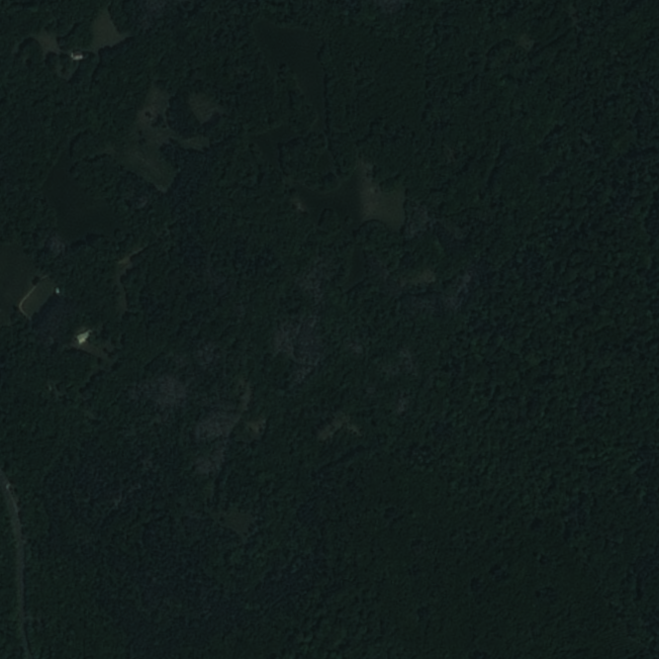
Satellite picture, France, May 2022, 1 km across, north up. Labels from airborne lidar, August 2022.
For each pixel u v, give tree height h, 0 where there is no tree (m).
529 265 29
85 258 17
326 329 15
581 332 23
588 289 19
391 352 22
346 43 8
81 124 15
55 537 19
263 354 20
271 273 8
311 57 0
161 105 0
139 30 13
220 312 10
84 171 12
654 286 20
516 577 15
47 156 17
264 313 14
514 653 8
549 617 8
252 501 23
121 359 13
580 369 18
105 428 14
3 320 0
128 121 21
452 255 21
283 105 14
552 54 23
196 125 18
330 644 27
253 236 12
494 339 19
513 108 20
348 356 11
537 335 16
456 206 14
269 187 14
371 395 14
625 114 19
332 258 10
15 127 20
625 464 17
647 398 19
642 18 18
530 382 20
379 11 23
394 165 14
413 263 19
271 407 11
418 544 20
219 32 8
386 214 0
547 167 19
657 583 17
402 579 12
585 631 8
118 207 17
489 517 13
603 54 17
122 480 13
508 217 17
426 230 15
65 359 15
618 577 20
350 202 0
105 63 15
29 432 20
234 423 0
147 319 15
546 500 18
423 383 17
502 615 9
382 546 15
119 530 14
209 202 13
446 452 9
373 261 10
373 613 25
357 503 15
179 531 13
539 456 16
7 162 24
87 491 19
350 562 16
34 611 14
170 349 19
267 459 16
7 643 21
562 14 9
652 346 25
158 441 15
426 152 13
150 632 22
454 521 12
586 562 14
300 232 17
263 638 14
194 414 15
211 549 13
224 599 17
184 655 10
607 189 24
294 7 20
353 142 14
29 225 18
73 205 0
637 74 16
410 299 22
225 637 16
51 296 0
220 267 15
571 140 20
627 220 31
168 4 18
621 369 21
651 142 21
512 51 6
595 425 19
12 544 16
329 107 11
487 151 15
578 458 18
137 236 12
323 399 11
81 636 9
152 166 0
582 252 21
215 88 12
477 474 13
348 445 6
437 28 22
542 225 15
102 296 16
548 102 22
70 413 19
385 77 7
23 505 8
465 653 9
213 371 15
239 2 10
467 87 19
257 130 11
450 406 12
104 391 15
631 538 23
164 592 18
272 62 0
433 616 12
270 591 19
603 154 19
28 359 17
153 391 0
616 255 21
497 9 24
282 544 11
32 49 17
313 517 22
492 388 20
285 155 17
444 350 12
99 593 11
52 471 12
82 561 13
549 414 19
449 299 21
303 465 20
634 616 17
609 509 17
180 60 17
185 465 19
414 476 13
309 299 11
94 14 16
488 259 18
